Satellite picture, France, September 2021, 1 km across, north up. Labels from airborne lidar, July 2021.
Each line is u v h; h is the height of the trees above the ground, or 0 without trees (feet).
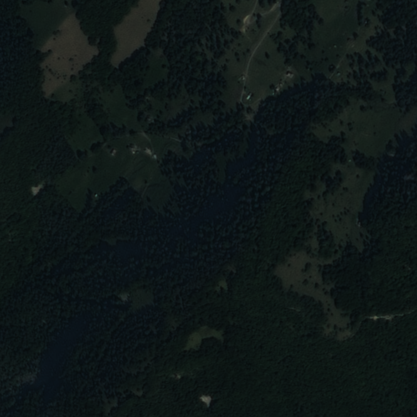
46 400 26
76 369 72
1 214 49
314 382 78
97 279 73
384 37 49
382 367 92
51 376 48
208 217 64
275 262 60
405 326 58
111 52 47
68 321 44
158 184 0
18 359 23
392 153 57
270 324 81
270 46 0
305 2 78
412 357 103
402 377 77
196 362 73
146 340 50
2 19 74
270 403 79
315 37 0
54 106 97
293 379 80
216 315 86
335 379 85
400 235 66
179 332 55
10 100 52
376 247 43
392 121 0
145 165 0
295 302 48
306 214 42
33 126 52
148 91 37
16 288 87
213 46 28
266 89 0
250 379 94
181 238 78
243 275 50
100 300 89
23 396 28
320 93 107
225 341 35
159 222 24
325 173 33
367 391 88
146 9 0
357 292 75
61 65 0
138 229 52
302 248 79
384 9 21
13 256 54
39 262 92
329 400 81
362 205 0
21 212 70
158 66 0
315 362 95
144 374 36
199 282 58
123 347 28
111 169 0
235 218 63
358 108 0
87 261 48
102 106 39
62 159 83
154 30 52
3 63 71
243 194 71
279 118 82
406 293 64
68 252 72
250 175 79
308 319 36
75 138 0
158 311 56
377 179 0
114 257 48
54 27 0
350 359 84
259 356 89
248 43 0
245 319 73
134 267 77
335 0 0
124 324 52
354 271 83
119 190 39
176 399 107
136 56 61
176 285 44
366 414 82
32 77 49
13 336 93
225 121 35
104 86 67
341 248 52
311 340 89
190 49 74
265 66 0
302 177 87
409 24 50
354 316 41
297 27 77
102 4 76
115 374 48
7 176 56
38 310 62
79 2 33
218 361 102
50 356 47
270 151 61
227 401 90
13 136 41
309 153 92
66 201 28
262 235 60
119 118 0
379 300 61
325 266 31
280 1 0
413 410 75
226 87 41
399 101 59
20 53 81
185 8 74
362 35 0
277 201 59
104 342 48
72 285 73
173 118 0
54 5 0
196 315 42
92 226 83
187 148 72
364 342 78
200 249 78
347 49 0
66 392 50
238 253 73
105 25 72
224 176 0
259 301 87
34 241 77
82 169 0
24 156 52
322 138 0
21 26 66
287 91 0
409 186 90
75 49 0
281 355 83
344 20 0
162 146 0
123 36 0
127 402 52
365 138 0
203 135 44
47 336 37
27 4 30
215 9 17
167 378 93
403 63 68
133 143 0
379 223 73
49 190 66
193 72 45
